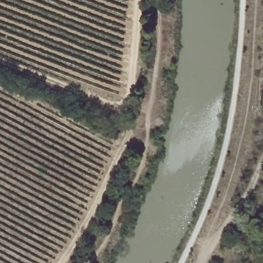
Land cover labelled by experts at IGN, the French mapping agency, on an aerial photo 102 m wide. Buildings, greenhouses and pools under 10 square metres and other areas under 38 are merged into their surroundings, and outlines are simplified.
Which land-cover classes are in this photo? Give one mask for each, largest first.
<instances>
[{"label":"vineyard","instance_id":"1","mask_svg":"<svg viewBox=\"0 0 263 263\"><path fill-rule=\"evenodd\" d=\"M127 0H0V63L9 62L22 70L44 76L46 80L40 82L43 83L44 90L53 91L57 95L79 92L81 89L88 97H92L89 100L92 106L111 116L117 115L114 107L122 105L126 97L124 83L128 79V73L121 70L128 64L122 61L123 53L120 51L124 47L125 26L120 23L126 18ZM85 120L75 121L73 118L64 117L60 109L41 100H28L0 86V263H68L76 247V241L96 214L114 165L122 156L126 143L133 138V130L123 131L117 140L92 134Z\"/></svg>","mask_w":263,"mask_h":263},{"label":"deciduous trees","instance_id":"2","mask_svg":"<svg viewBox=\"0 0 263 263\"><path fill-rule=\"evenodd\" d=\"M142 29L139 57L147 68L154 67L158 11L176 18L175 51L180 54L183 46L182 0H140ZM240 0H233L229 63L222 112L218 114L220 126L216 131L214 153L188 230L180 240L171 263H178L210 192L222 150L233 88ZM179 60L173 57L170 66L158 72L163 80L160 93L167 100V107L163 124L150 129V141L157 151L147 157L146 173L140 176L137 184L133 182L145 150L144 142L133 138L126 143L122 156L114 165L96 214L76 241V247L68 263H100L96 255L95 241L99 236L105 237L110 233L119 200L122 201L121 215L118 218V222L121 223L120 239L112 250L105 248V263H116L118 254L124 251L123 243L126 237L135 235L133 230L141 214V206L145 203L146 194L156 179L159 162L165 158L163 137L172 120L178 91L175 78L178 74ZM149 72L140 69L139 74L137 82L131 85L126 97L122 105L114 107L117 115L111 116L92 106L89 100L92 97H88L81 89L79 92L57 95L53 91L44 90L43 83L40 82L46 80L44 76L22 70L9 62L0 63V86L28 100H41L60 109L64 117L73 118L75 121L85 120L92 134L117 140L123 131L133 130L141 113L143 100L145 96L150 95L151 89V83L147 79ZM263 153V140L255 142L252 146L253 157L248 159L247 167L241 171L240 180L231 197V206L235 209L233 219L221 235L220 250L238 245L246 248V251L238 254L239 259L231 260V263H263V163L255 188L246 198L242 197V194L251 181L259 156Z\"/></svg>","mask_w":263,"mask_h":263},{"label":"water","instance_id":"3","mask_svg":"<svg viewBox=\"0 0 263 263\"><path fill-rule=\"evenodd\" d=\"M183 46L180 54L179 60L178 74L175 78L178 91L172 120L163 137L165 158L159 162L156 179L146 194L145 203L141 206V214L133 230L135 235L126 237L123 243L124 251L118 254L116 263H171L180 240L188 230L214 153L216 131L220 126L218 114L222 112L229 63L233 0H182Z\"/></svg>","mask_w":263,"mask_h":263},{"label":"herbaceous vegetation","instance_id":"4","mask_svg":"<svg viewBox=\"0 0 263 263\"><path fill-rule=\"evenodd\" d=\"M263 140V0H246L245 35L230 142L215 196L185 263H231V260L239 259L238 254L246 251V248L238 245L220 250L221 235L233 219L235 209L231 206V197L240 180L241 171L247 167L248 159L253 157L252 146L255 142ZM176 18L158 11L154 67L147 68L139 57V74L140 69L149 72L147 79L151 83V89L150 95L145 96L143 100L141 113L133 130V138L144 142L145 150L133 182L137 184L140 176L146 173L147 157L157 151L150 141V129L163 124L167 107V100L160 93L163 80L158 72L170 66L173 57L179 60L180 54L175 51ZM122 201L119 200L110 233L105 237L99 236L95 241L96 255L100 263H105V248L112 250L120 239L121 223L118 222V218L121 215Z\"/></svg>","mask_w":263,"mask_h":263},{"label":"pervious surface","instance_id":"5","mask_svg":"<svg viewBox=\"0 0 263 263\"><path fill-rule=\"evenodd\" d=\"M246 0H240L233 88L222 150L210 192L178 263H185L215 196L230 142L245 35ZM263 163V153L259 156L251 181L242 194V197L246 198L255 188Z\"/></svg>","mask_w":263,"mask_h":263},{"label":"plowed land","instance_id":"6","mask_svg":"<svg viewBox=\"0 0 263 263\"><path fill-rule=\"evenodd\" d=\"M126 18L120 23L125 26L124 47L120 51L123 53L122 61L128 64L121 70L128 73V79L124 83L126 97L131 85L137 82L139 74V57L142 29L140 0H127Z\"/></svg>","mask_w":263,"mask_h":263}]
</instances>
